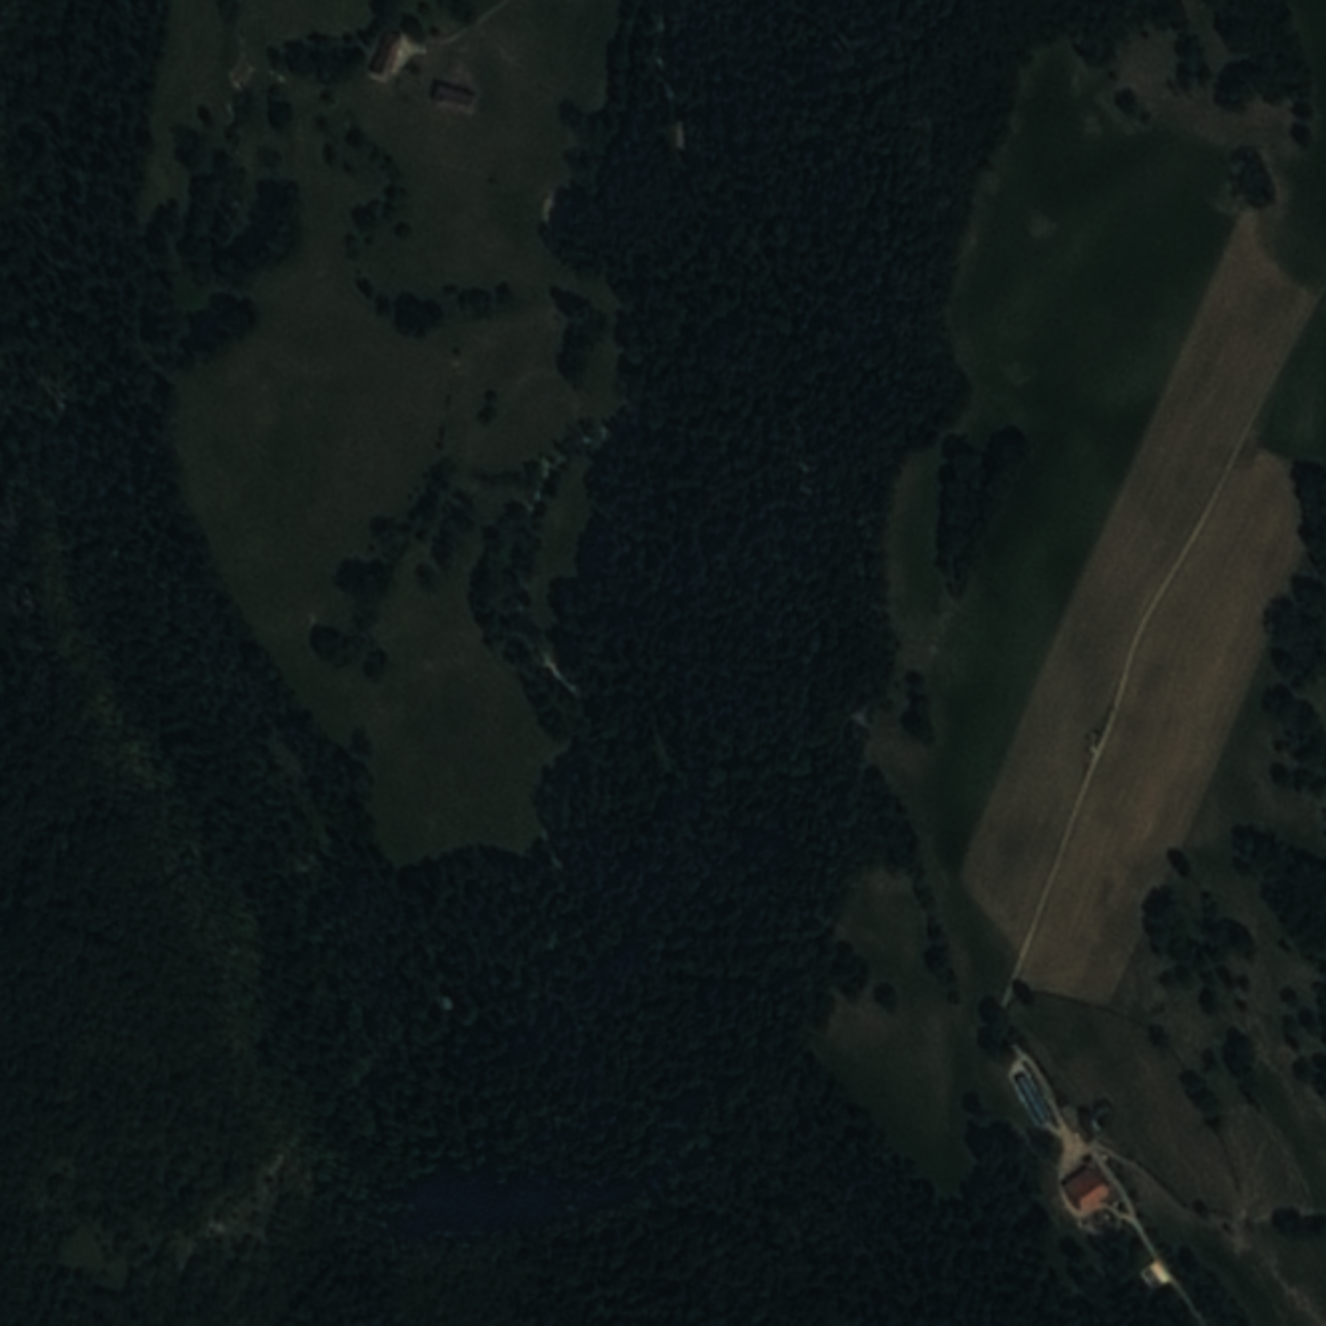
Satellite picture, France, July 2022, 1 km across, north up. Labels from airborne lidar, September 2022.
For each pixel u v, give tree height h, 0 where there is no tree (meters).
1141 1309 19
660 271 24
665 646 20
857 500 25
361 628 19
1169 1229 0
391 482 0
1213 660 0
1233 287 0
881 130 28
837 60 28
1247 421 0
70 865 18
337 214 0
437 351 0
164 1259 11
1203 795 0
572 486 0
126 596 31
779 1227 25
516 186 0
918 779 0
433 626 0
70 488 32
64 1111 15
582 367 23
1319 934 13
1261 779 0
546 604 0
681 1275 10
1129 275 0
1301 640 18
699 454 29
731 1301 20
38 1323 16
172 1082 17
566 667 22
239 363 0
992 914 0
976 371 0
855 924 0
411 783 0
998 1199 28
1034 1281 28
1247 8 18
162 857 11
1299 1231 16
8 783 18
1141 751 0
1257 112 0
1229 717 0
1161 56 0
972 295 0
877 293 12
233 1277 8
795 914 25
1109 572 0
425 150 0
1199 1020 0
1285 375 0
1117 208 0
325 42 16
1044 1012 0
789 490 21
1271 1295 0
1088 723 0
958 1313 25
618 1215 16
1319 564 15
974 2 22
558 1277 19
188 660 34
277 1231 12
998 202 0
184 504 26
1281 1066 0
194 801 36
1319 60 0
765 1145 16
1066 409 0
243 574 0
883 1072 0
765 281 18
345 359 0
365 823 12
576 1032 37
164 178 0
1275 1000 0
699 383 26
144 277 29
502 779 0
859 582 15
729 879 30
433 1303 16
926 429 23
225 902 18
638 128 25
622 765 31
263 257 25
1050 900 0
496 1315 17
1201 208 0
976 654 0
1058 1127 0
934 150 11
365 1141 34
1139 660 0
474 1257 15
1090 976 0
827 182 8
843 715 21
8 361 29
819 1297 23
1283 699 21
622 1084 32
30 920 20
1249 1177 0
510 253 0
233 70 0
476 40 0
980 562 13
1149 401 0
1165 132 0
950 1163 0
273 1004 25
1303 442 0
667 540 27
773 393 19
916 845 18
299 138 0
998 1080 0
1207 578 0
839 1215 21
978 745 0
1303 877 19
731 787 34
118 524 32
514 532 10
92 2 28
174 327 29
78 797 18
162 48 11
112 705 20
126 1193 12
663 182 25
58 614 21
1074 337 0
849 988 18
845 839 15
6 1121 16
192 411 0
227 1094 11
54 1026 14
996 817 0
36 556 17
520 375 0
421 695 0
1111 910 0
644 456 20
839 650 34
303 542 0
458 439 0
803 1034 20
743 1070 25
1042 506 0
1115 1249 27
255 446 0
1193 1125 0
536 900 27
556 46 0
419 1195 20
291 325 0
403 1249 15
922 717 18
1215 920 15
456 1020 8
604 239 22
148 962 16
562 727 21
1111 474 0
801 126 11
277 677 21
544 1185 31
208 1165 10
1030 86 0
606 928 32
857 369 27
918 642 0
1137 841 0
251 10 0
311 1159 18
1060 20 18
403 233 9
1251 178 20
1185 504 0
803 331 14
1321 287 0
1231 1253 0
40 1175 12
